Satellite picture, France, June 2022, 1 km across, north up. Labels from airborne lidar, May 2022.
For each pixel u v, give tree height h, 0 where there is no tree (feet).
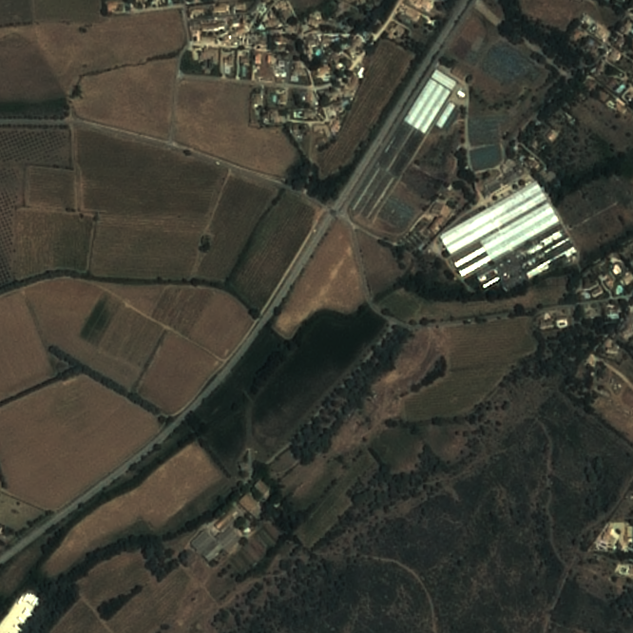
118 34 0
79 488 0
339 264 0
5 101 0
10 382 0
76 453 0
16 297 0
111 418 0
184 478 0
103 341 0
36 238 0
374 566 0
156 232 0
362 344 0
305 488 0
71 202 0
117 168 0
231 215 0
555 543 0
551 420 0
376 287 0
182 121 0
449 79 0
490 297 51
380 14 61
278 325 0
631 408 0
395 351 48
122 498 0
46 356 0
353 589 0
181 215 0
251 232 0
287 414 0
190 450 0
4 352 0
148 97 0
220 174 0
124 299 0
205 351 0
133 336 0
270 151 0
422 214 0
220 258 0
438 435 0
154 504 0
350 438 0
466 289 29
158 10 0
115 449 0
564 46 25
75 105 0
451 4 50
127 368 0
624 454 0
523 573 0
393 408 0
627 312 26
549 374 42
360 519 31
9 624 0
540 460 0
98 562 26
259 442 0
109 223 0
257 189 0
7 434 0
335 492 0
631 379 0
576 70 30
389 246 27
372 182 0
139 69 0
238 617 26
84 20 0
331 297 0
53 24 0
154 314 0
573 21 24
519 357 0
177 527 0
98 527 0
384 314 29
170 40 0
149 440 0
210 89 0
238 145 0
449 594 0
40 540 0
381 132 0
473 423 37
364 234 0
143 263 0
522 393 0
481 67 0
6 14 0
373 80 0
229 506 35
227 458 0
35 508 0
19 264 0
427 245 19
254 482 30
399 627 0
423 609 0
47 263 0
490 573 0
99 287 0
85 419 0
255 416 0
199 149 0
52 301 0
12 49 0
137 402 41
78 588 51
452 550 0
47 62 0
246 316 0
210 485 0
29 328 0
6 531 49
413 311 0
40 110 0
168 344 0
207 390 0
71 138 0
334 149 0
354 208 0
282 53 22
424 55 22
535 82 0
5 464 0
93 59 0
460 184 37
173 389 0
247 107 0
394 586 0
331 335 0
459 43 0
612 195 0
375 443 0
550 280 0
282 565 31
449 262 0
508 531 0
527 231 0
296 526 44
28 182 0
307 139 0
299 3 0
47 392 0
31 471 0
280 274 0
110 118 0
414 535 0
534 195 0
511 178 0
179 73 0
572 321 0
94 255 0
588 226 0
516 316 27
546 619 0
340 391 42
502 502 0
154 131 0
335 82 43
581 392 28
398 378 0
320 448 51
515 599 0
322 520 0
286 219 0
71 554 0
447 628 0
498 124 0
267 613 18
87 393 0
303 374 0
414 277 23
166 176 0
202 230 0
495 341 0
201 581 0
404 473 38
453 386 0
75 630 0
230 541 0
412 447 0
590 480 38
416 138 0
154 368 0
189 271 0
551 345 28
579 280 40
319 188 34
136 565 0
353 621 0
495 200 25
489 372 0
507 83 0
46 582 23
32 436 0
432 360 0
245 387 0
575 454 0
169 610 0
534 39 29
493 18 0
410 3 0
